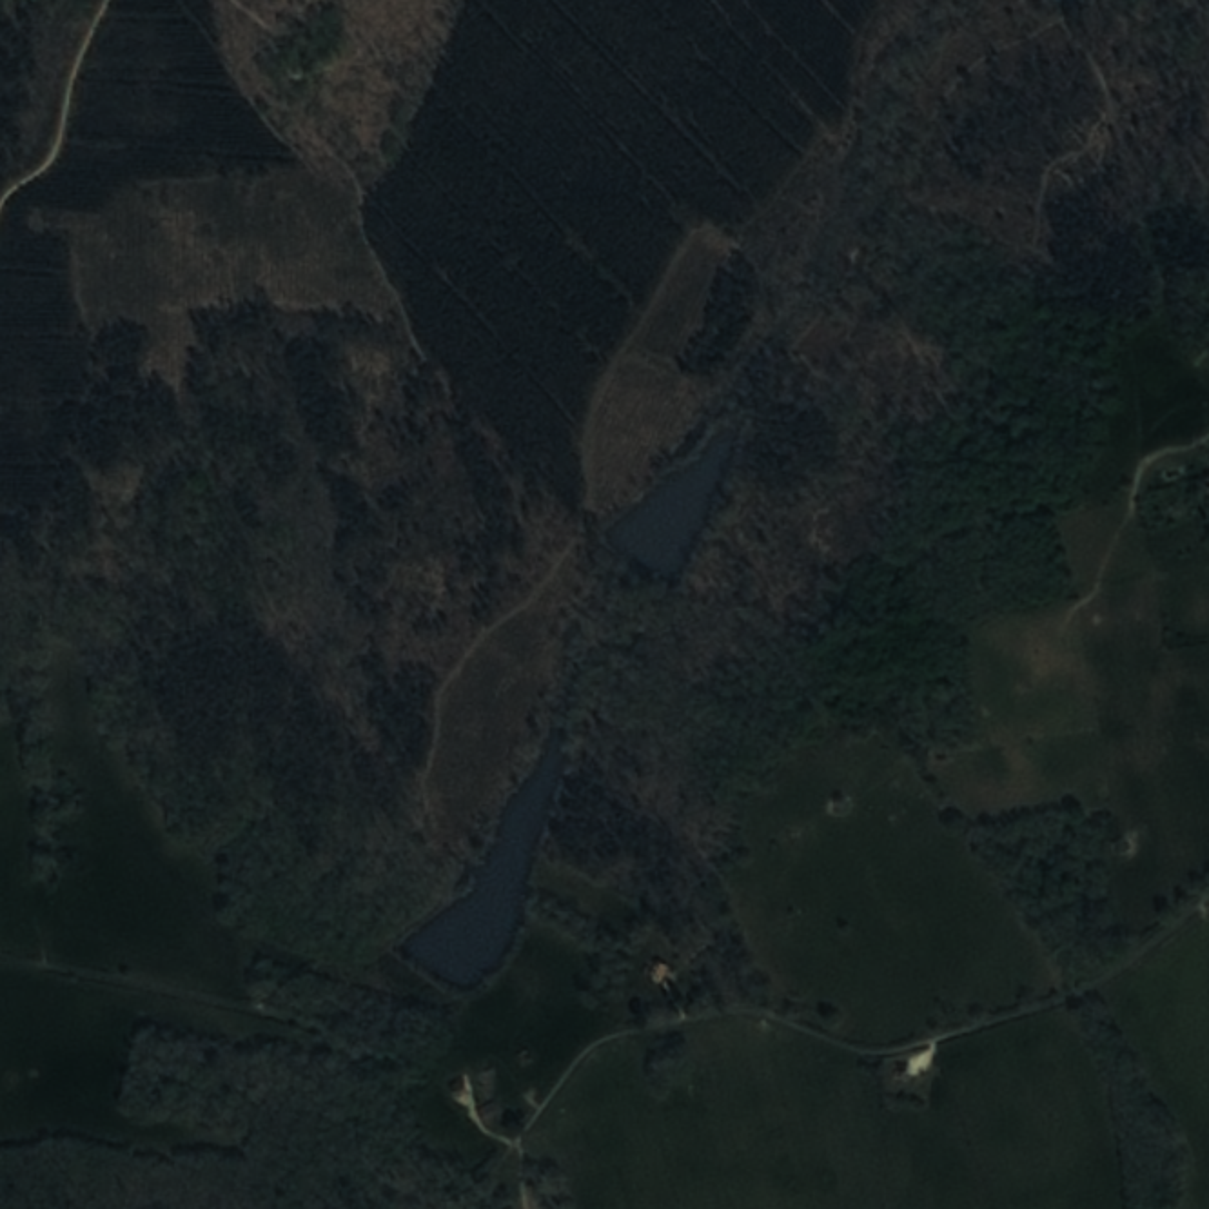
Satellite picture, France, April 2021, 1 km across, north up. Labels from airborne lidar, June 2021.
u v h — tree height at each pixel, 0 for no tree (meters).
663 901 13
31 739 21
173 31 9
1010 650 0
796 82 9
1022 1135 0
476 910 0
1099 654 0
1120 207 6
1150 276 12
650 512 0
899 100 22
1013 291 20
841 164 8
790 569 6
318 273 0
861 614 16
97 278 0
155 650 11
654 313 0
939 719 13
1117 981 0
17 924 0
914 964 0
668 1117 0
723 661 11
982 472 21
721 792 19
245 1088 12
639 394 0
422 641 8
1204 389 0
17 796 0
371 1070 14
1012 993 0
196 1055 13
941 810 0
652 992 0
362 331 14
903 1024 0
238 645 16
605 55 13
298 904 16
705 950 6
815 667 19
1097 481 0
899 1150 0
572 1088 0
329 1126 16
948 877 0
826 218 10
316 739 20
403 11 0
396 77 14
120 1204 9
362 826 16
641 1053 0
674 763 15
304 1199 17
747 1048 0
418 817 15
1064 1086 0
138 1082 19
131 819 0
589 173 11
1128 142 10
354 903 15
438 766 0
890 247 20
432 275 13
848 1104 0
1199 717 0
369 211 9
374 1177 14
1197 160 16
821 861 0
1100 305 16
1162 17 13
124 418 15
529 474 18
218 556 17
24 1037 0
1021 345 16
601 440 0
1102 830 12
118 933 0
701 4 13
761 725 21
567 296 14
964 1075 0
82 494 17
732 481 17
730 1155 0
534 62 12
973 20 16
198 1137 0
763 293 17
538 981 0
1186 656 0
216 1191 14
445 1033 10
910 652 12
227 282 0
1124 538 0
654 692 19
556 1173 18
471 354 14
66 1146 13
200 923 0
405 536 11
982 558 15
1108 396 21
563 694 6
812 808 0
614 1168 0
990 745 0
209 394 18
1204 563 0
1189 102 11
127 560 13
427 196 14
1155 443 0
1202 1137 0
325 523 16
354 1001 9
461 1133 0
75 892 0
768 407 23
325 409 17
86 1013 0
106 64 7
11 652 17
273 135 9
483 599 12
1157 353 0
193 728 18
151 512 15
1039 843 15
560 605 0
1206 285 12
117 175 8
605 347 14
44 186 8
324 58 14
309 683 19
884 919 0
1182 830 0
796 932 0
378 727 15
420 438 13
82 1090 0
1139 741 0
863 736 11
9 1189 13
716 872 8
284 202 0
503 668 0
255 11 0
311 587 19
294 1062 14
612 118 12
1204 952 0
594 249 14
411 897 19
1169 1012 0
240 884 12
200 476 19
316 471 13
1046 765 0
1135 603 0
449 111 13
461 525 11
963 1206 0
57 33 8
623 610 17
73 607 16
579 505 14
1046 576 15
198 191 0
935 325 19
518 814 0
